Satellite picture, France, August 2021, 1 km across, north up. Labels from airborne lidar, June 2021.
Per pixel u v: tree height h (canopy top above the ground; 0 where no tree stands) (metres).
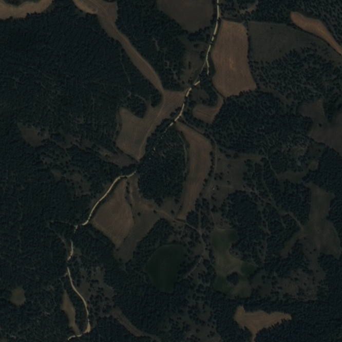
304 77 8
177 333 9
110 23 0
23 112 14
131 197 0
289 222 10
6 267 18
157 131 11
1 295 16
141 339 14
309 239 0
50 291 8
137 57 0
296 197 11
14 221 15
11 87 9
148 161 18
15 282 14
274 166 6
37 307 13
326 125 0
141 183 11
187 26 0
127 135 0
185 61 0
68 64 13
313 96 10
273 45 0
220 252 0
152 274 0
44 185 7
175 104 0
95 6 0
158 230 15
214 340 0
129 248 0
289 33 0
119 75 14
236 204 16
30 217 9
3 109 5
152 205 0
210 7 0
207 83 15
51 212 12
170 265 0
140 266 14
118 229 0
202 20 0
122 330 14
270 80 7
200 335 0
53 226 14
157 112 0
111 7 0
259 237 12
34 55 13
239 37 0
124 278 9
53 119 10
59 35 18
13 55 18
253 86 0
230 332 13
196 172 0
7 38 10
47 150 14
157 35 12
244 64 0
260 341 17
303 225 8
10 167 14
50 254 17
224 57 0
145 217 0
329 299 9
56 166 11
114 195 0
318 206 0
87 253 10
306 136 9
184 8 0
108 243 11
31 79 14
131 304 10
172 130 18
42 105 13
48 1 0
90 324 9
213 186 0
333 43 0
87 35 15
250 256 10
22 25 16
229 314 15
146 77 0
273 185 14
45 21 16
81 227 8
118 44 14
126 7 15
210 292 7
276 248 9
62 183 10
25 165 9
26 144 9
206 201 13
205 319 0
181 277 7
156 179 19
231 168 0
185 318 0
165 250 0
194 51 0
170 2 0
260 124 10
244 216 15
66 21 15
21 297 0
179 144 13
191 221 15
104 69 15
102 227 0
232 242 0
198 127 8
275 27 0
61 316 14
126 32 13
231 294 0
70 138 0
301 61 10
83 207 11
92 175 9
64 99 8
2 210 17
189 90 0
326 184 8
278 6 8
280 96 0
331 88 11
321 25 0
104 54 16
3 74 12
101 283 0
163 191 16
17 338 10
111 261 9
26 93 13
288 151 10
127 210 0
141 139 0
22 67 13
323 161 14
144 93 13
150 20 11
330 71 11
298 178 0
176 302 8
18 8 0
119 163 0
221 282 0
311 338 23
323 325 20
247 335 14
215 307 12
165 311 8
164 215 0
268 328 0
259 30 0
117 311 0
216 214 0
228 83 0
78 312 6
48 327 11
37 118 14
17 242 11
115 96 15
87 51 11
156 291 10
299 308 19
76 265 7
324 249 0
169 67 7
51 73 16
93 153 9
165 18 8
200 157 0
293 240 0
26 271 9
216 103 0
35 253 10
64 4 12
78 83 17
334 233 0
